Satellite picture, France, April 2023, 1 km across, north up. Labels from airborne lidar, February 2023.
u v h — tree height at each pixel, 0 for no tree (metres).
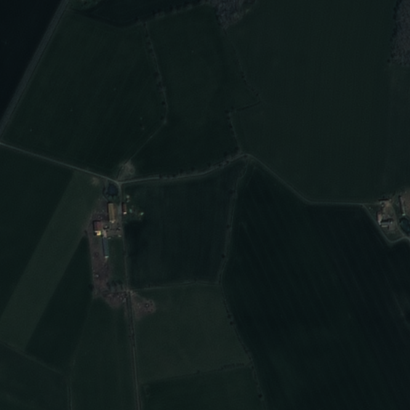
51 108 0
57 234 0
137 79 0
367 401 0
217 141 0
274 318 0
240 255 0
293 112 0
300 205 0
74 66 0
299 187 0
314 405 0
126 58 0
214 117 0
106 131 0
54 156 0
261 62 0
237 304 0
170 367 0
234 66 0
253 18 0
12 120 0
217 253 0
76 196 0
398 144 0
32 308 0
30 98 0
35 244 0
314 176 0
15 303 0
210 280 0
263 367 0
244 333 0
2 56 0
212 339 0
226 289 0
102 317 0
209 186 0
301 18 0
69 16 0
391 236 0
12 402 0
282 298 0
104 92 0
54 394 0
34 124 0
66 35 0
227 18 23
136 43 0
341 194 0
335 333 0
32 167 0
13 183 0
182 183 0
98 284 0
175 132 0
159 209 0
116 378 0
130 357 0
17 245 0
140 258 0
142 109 0
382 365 0
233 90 0
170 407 0
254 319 0
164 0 0
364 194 0
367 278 0
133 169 0
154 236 0
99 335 0
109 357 0
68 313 0
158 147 0
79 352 0
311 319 0
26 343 0
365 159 0
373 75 0
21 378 0
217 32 0
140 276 0
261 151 0
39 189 0
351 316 0
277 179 0
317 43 0
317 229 0
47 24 0
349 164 0
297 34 0
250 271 0
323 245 0
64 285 0
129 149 0
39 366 0
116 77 0
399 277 0
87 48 0
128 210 0
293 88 0
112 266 0
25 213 0
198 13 0
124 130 0
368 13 0
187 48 0
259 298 0
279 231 0
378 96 0
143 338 0
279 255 0
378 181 0
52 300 0
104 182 0
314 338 0
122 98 0
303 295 0
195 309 0
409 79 0
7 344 0
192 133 0
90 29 0
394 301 0
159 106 0
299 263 0
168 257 0
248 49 0
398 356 0
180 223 0
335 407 0
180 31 0
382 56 0
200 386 0
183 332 0
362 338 0
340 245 0
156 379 0
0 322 0
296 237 0
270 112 0
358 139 0
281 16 0
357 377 0
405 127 0
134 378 0
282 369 0
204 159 0
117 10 0
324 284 0
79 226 0
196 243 0
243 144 0
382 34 0
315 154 0
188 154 0
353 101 0
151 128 0
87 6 8
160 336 0
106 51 0
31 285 0
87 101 0
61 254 0
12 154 0
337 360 0
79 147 0
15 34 0
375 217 0
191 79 0
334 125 0
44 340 0
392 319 0
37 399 0
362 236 0
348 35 0
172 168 0
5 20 0
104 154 0
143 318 0
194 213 0
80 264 0
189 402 0
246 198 0
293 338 0
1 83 0
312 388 0
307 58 0
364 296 0
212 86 0
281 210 0
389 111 0
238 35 0
